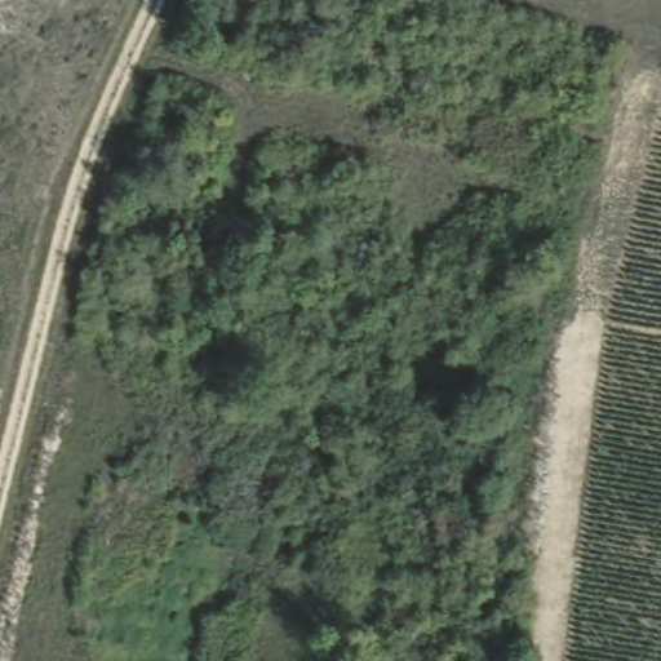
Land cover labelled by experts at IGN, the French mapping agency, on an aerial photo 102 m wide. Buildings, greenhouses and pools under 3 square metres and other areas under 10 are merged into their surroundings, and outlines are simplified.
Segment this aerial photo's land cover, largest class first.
<instances>
[{"label":"brushwood","instance_id":"1","mask_svg":"<svg viewBox=\"0 0 661 661\"><path fill-rule=\"evenodd\" d=\"M225 46L212 67L238 77H250L258 90L284 88V96L312 93L328 96L338 103L364 101L369 106L364 111L369 132L374 134L385 137L392 129H400V137L411 139V147H421L426 152H442L447 147V152L460 160L473 155L480 165H488L493 170H509L511 176L506 186L470 183L460 191L457 201L449 209H444L434 222L418 227L411 219V214H405V207L390 201L392 196H398V183L390 168H359L349 181L333 183L328 188H318L312 183L310 188H250L261 165L271 168L274 173H279V168H312V181H325V176L338 163L349 158L367 160V147L361 145H341L333 137L294 132V124L263 127L245 142H238V111L222 114L214 127V139L204 137L196 150L201 165H212V188L219 199L204 204L201 209H168L158 217L147 214L145 219L127 225L121 232H101L90 243L88 269L80 274L83 289L75 318V346L90 349L98 338H111V331H121L124 346L155 351L152 364H165L170 374L168 380L176 387H183L186 395L201 400L204 395L214 392V408H225V421L230 423L276 426L281 421L289 429L297 413H312L318 431L307 434V429L302 426L292 439L279 442L274 457L266 462V473L256 493L258 506L269 503L271 498L276 501L274 516L279 519L271 524L281 532L276 558L289 565L294 555L305 553L300 584L307 589L312 584H320L331 599L341 602L351 612V625L356 633H377L380 648H392L398 661H480V643L488 630H498L503 622H516L519 627H527L532 633L537 615V591L532 586V573L537 565V555L524 532V524L529 522V511L534 506L532 488L540 447L534 444V436L540 434L547 413L553 411L547 398L555 387V351L563 328L576 318V276L571 271H563L560 284L545 292L540 305L534 307L516 305L506 310V302L501 300L498 289H503L509 271L524 266V256L529 250L540 248L553 235L573 232L578 235V240L594 232L599 219L604 152L612 142L615 106L622 101V88L638 72L651 70L638 52L620 41V31H612L607 26H586L584 36H573L571 15L550 10L545 5H534L529 0H235V18L230 23H219ZM263 227L274 230V243L266 258V271L258 279V292L230 294L219 302H212L207 292V279L214 276V271H219L225 250L243 243H256ZM263 361H279L284 369H289V408L279 416L261 413L253 405L230 403V385L240 380V372L250 367L258 374L263 372ZM488 380L493 385L514 387V400H509V408L524 405V418L501 434L506 447L498 454L496 467L503 470V491L491 511L483 509L480 493V485L491 478V467L475 460V454H480L485 444L467 442V434L457 431L460 403L467 395H473V382ZM222 90L219 85L201 80L186 70L181 72V77H163L160 83H155V88L150 90V108L145 121L147 137L142 139V145H137L132 155V170L121 173L116 183V191L124 196L137 188V178L147 168L165 170L163 150L173 142H181L186 119L201 103H207L209 96H219ZM222 547H214L209 542V532L199 522L181 524L178 529H173L168 547L158 555L142 550H111L106 545L88 540L80 563V584L75 586V604L83 612L93 609L96 622L85 630V648L93 661H250L253 640L261 635L269 612L243 609L235 602L232 589L214 591V563Z\"/></svg>","mask_w":661,"mask_h":661},{"label":"herbaceous vegetation","instance_id":"2","mask_svg":"<svg viewBox=\"0 0 661 661\"><path fill-rule=\"evenodd\" d=\"M201 5L199 0H0V442L5 434V421L10 413L15 380L57 214L65 199L67 181L72 176L75 158L80 152L93 111L116 67V59L134 26L137 13L150 10L158 18V26L132 72L121 106L116 108L114 121L103 134L98 160L88 170L90 183L83 194L80 222L67 250L62 292L49 325L39 382L0 527V607L13 581L18 542L28 519L44 439L52 436L54 418L59 411H70L72 416L62 429V444L46 475L44 503L39 506L36 545L31 555V576L21 599V620L10 661H93L85 648V630L96 622L93 609L83 612L75 604V586L80 584V563L88 540L106 545L111 550H142L158 555L168 547L173 529H178L181 524L199 522L209 532V542L214 547H222L214 563V591L232 589L235 602L243 609L269 612L261 635L253 640L250 661H343L341 656L351 643V633H356L351 625V612L341 602L331 599L320 584H312L307 589L300 584L305 553L294 555L289 565L276 558L281 532L271 524L279 519L274 516L276 501L271 498L269 503L258 506L256 493L266 473V462L274 457L279 442L292 439L302 426L307 429V434L318 431L312 413H297L289 429L281 421L276 426L230 423L225 421V408H214V392L204 395L201 400L186 395L183 387H176L168 380L170 374L165 364H152L155 351L124 346L121 331H111V338H98L90 349L75 346V318L83 289L80 274L88 269L90 243L101 232V207L106 201H121L124 196L116 191V183L121 173L132 170V155L137 145H142V139L147 137L145 121L150 108V90L155 88V83H160L163 77H181V72L186 70L201 80L219 85L222 90L232 98L238 111V142H245L263 127L294 124V132L333 137L341 145H361L367 147V160L369 168H390L398 183V196H392L390 201L405 207V214H411V219L418 227L434 222L444 209H449L457 201L460 191L470 183L506 186L511 176L509 170H493L488 165H480L473 155L460 160L447 152V147L442 152H426L421 147H411V139L400 137V129H392L385 137L374 134L369 132L364 111L369 106L364 101L338 103L328 96L312 93L284 96V88L258 90L250 77H238L212 67L191 65V57H178L165 49V44L178 41L191 28V21ZM323 627H333L338 633V643L325 653H315L312 638H320ZM661 129V70H651L638 72L622 88V101L615 106L612 142L604 152L599 219L594 232L578 240L576 276V312H596L602 318L612 307V294L620 289L627 243L635 230L638 199L643 194V183L648 181V160L653 158L651 147L656 132Z\"/></svg>","mask_w":661,"mask_h":661},{"label":"vineyard","instance_id":"3","mask_svg":"<svg viewBox=\"0 0 661 661\"><path fill-rule=\"evenodd\" d=\"M653 158L648 160V181L643 183V194L638 199L635 230L627 243L620 289L612 294V307L602 318L604 341L591 403V439L578 506V532L573 545V558L578 560V568L571 586L565 656L560 661H661V129L656 132L651 147Z\"/></svg>","mask_w":661,"mask_h":661},{"label":"pervious surface","instance_id":"4","mask_svg":"<svg viewBox=\"0 0 661 661\"><path fill-rule=\"evenodd\" d=\"M158 26V18L150 10L137 13L134 26L116 59V67L93 111L80 152L75 158L72 176L67 181L65 199L57 214L15 380L10 413L5 421V434L0 442V527L39 382L49 325L62 292L67 250L80 222L83 194L90 183L88 170L98 160L103 134L114 121L116 108L121 106L132 72ZM604 341L602 318L596 312H576V318L563 328L555 351V387L547 398L553 411L547 413L540 434L534 436V444L540 447L532 488L534 506L529 511V522L524 524V532L537 555V565L532 573V586L537 591V615L532 633V640L545 661H560L565 656L571 586L578 568V560L573 558V545L578 532V506L591 439V403ZM72 416L70 411H59L54 418L52 436L44 439L28 519L18 542L13 581L0 607V661H10L21 620V599L31 576V555L36 545L39 506L44 503L46 475L62 444V429Z\"/></svg>","mask_w":661,"mask_h":661},{"label":"deciduous trees","instance_id":"5","mask_svg":"<svg viewBox=\"0 0 661 661\"><path fill-rule=\"evenodd\" d=\"M201 5L191 21V28L178 41L165 44V49L178 57H191V65L212 67L225 46L219 23H230L235 18V0H199ZM238 111L232 98L222 90L219 96H209L207 103H201L186 119L181 142H173L163 150L165 170L147 168L137 178V188L124 196L121 201H106L101 207V232H121L127 225L145 219L147 214L158 217L168 209H201L204 204L219 199L212 188V165H201L196 150L204 137L214 139V127L222 114ZM359 168H369L367 160L349 158L338 163L325 176V181H312V168H279V173H274L271 168L261 165L250 188H310L312 183L318 188H328L333 183L349 181ZM274 243V230L263 227L256 243H243L225 250L219 271H214V276L207 279V292L212 302H219L230 294L258 292V279L266 271V258ZM578 240V235L573 232L553 235L540 248L529 250L524 256V266L509 271L503 289H498L501 300L506 302V310L516 305L534 307L540 305L545 292L560 284L563 271H571L576 276ZM289 369H284L279 361H263V372L258 374L250 367L240 372V380L230 385V403L253 405L261 413L279 416L289 408ZM509 400H514V387L493 385L488 380L473 382V395H467L460 403L457 431L467 434V442L485 444L480 454H475V460L491 467V478L480 485V493L483 509L491 511L503 491V470L496 467L498 454L506 447L501 434L524 418V405L509 408ZM480 661H545L532 640V633L527 627H519L516 622H503L498 630H488L480 643ZM338 643V633L333 627H323L320 638H312L315 653H325ZM343 661H398L392 648H380L377 633H351V643L341 656Z\"/></svg>","mask_w":661,"mask_h":661},{"label":"agricultural land","instance_id":"6","mask_svg":"<svg viewBox=\"0 0 661 661\"><path fill-rule=\"evenodd\" d=\"M534 5H545L550 10L571 15L573 36H584L586 26H607L612 31H620V41L638 52L651 70H661V0H529Z\"/></svg>","mask_w":661,"mask_h":661}]
</instances>
